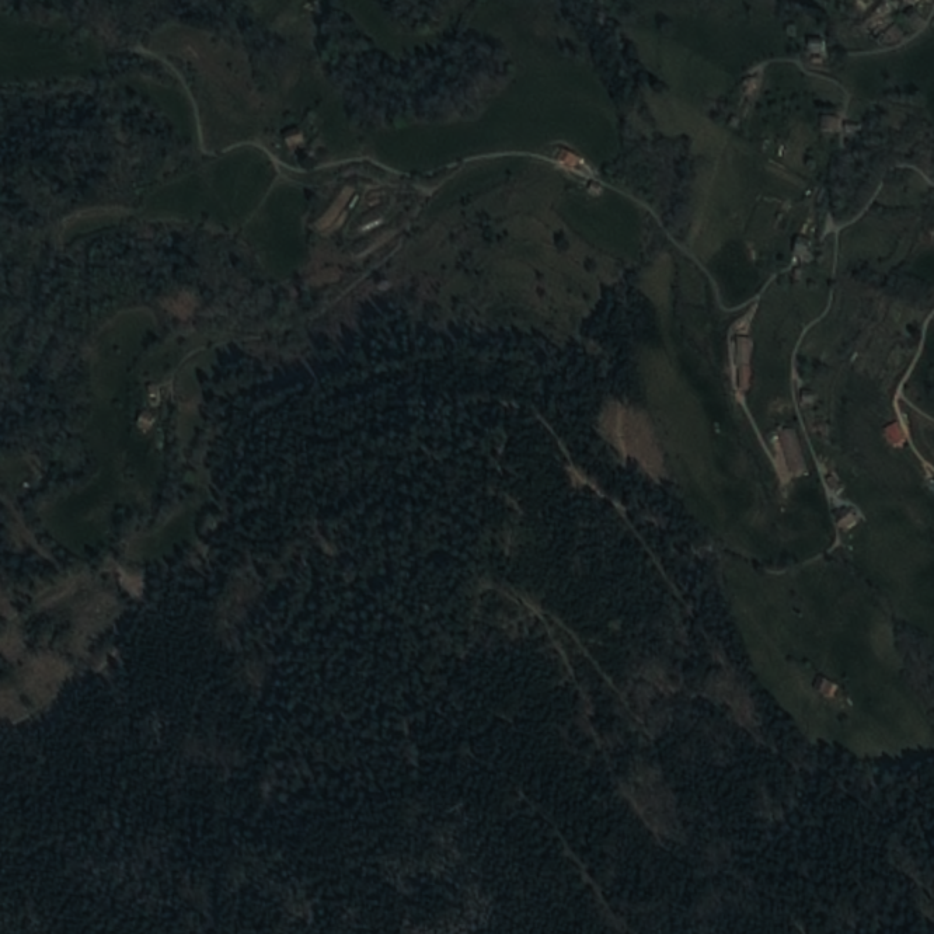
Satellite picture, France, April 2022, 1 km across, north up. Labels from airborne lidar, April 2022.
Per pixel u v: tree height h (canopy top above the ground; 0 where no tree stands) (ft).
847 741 0
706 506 0
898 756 0
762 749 65
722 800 83
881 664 0
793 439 0
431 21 83
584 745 48
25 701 0
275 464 52
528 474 34
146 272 44
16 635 0
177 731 79
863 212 49
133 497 0
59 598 0
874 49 0
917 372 0
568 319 0
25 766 88
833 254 0
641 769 65
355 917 61
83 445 26
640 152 46
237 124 0
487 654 40
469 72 79
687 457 0
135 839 58
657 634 53
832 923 72
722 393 0
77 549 0
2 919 69
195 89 25
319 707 93
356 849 60
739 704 76
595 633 29
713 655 56
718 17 0
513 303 0
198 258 25
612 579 36
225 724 72
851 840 73
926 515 0
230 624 49
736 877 53
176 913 47
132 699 81
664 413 0
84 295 60
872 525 0
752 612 0
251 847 77
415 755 93
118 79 65
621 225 0
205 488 0
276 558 60
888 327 0
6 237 73
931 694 37
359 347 86
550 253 0
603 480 33
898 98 39
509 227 0
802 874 59
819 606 0
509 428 47
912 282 32
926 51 0
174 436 30
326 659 99
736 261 0
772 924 72
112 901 66
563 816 69
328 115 0
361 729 86
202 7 87
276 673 37
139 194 20
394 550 102
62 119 36
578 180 0
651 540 62
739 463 0
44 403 86
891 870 98
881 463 0
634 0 0
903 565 0
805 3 23
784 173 0
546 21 0
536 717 52
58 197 22
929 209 31
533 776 58
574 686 20
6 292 58
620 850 52
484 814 72
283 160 0
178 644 74
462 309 41
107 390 0
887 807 91
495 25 0
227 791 59
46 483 26
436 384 40
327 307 45
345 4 19
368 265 20
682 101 0
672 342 0
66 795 80
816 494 0
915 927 83
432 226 0
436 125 73
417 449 108
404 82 72
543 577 31
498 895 89
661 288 0
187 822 82
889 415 0
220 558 96
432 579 103
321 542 87
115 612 0
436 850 77
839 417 0
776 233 0
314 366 0
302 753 99
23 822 70
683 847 56
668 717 63
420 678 97
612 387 94
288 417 67
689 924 42
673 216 49
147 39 24
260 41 66
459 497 47
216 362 0
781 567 25
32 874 86
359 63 74
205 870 68
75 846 69
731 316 0
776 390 0
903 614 0
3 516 93
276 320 53
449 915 76
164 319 22
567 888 63
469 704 56
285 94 0
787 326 0
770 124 25
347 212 0
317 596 25
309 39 0
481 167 0
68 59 0
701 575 90
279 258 0
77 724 73
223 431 60
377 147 0
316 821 68
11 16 44
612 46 84
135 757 68
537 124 0
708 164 0
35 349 65
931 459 0
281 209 0
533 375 31
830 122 0
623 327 68
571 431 22
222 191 0
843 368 0
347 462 66
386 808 86
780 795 76
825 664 0
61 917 88
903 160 21
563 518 53
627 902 75
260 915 77
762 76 0
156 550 0
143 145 24
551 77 0
